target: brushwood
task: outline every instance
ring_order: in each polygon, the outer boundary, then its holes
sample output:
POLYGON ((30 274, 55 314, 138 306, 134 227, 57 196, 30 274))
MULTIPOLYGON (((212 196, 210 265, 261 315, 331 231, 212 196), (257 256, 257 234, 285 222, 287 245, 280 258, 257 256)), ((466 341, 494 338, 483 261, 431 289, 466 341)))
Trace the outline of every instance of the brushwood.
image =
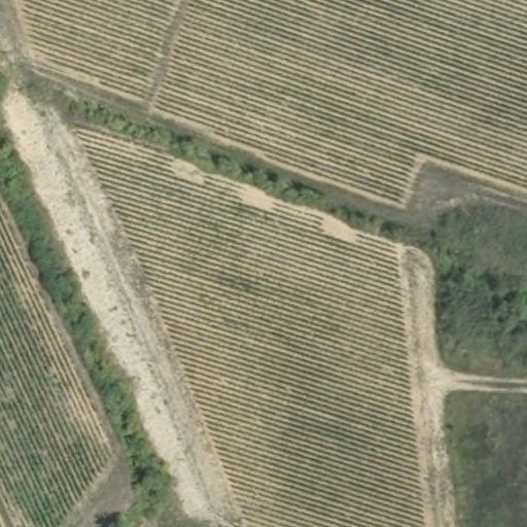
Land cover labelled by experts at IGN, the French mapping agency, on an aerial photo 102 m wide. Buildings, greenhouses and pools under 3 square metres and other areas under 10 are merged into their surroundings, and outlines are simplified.
POLYGON ((89 379, 101 397, 105 414, 103 418, 111 424, 111 438, 115 436, 117 443, 126 445, 124 453, 130 457, 132 463, 132 490, 136 492, 134 504, 119 519, 117 527, 210 527, 208 521, 198 521, 191 517, 183 513, 177 494, 177 480, 169 473, 167 461, 156 455, 144 430, 140 412, 136 408, 136 395, 128 393, 119 385, 119 379, 126 375, 126 368, 117 364, 115 354, 107 350, 103 342, 91 340, 93 333, 99 329, 99 319, 91 311, 80 290, 76 274, 66 257, 64 243, 58 239, 49 212, 41 204, 33 187, 31 171, 16 152, 10 130, 6 130, 0 124, 0 202, 4 206, 10 206, 19 231, 27 243, 29 259, 37 270, 37 280, 51 298, 56 315, 62 317, 66 329, 72 336, 78 360, 89 373, 89 379))
POLYGON ((200 132, 187 130, 171 119, 163 119, 154 113, 148 113, 148 109, 140 103, 99 91, 93 84, 80 82, 76 78, 64 76, 58 84, 47 78, 39 78, 35 76, 33 66, 29 62, 21 62, 19 70, 27 80, 23 95, 29 99, 31 105, 54 105, 68 128, 93 130, 105 136, 121 138, 152 148, 156 152, 175 154, 177 159, 196 165, 204 173, 220 173, 224 177, 249 183, 272 198, 323 210, 344 220, 352 229, 381 235, 383 222, 389 220, 397 210, 393 206, 371 202, 366 198, 360 198, 333 185, 303 179, 290 171, 274 169, 264 161, 251 156, 249 152, 222 146, 200 132))
POLYGON ((515 274, 502 272, 494 276, 492 272, 484 272, 476 286, 471 286, 463 280, 465 268, 459 266, 449 268, 449 272, 434 278, 434 331, 451 333, 455 342, 461 342, 463 338, 490 338, 494 342, 494 338, 500 336, 527 333, 527 282, 521 282, 521 276, 515 274))

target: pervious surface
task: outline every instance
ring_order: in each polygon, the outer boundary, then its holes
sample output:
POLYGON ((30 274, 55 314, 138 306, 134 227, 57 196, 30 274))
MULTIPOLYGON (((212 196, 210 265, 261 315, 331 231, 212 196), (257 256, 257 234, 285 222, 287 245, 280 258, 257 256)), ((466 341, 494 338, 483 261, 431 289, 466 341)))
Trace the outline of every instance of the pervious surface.
POLYGON ((426 251, 422 251, 416 245, 397 243, 395 261, 401 286, 399 301, 406 331, 418 467, 445 469, 449 465, 443 428, 443 399, 449 391, 459 389, 484 393, 527 393, 527 377, 488 377, 449 371, 438 360, 434 331, 434 278, 434 268, 426 251))

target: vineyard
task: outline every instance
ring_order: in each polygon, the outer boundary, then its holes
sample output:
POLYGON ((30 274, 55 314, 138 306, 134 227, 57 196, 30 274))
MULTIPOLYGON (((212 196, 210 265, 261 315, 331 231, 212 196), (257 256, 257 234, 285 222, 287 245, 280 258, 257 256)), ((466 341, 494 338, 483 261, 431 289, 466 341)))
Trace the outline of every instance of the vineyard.
POLYGON ((171 119, 187 130, 200 132, 222 146, 249 152, 251 156, 264 161, 274 169, 290 171, 303 179, 333 185, 360 198, 366 198, 371 202, 393 206, 397 210, 389 220, 430 229, 443 210, 461 204, 484 202, 490 206, 502 206, 506 198, 527 202, 527 0, 12 0, 21 25, 19 41, 29 62, 33 66, 35 76, 39 78, 47 78, 58 84, 64 76, 76 78, 80 82, 93 84, 99 91, 140 103, 148 109, 148 113, 154 113, 163 119, 171 119))
POLYGON ((220 173, 204 173, 196 165, 177 159, 175 154, 156 152, 152 148, 121 138, 105 136, 93 130, 68 128, 54 105, 31 105, 41 119, 45 150, 56 156, 64 173, 68 189, 66 204, 80 208, 80 222, 89 233, 91 245, 99 249, 99 257, 105 264, 107 288, 115 290, 117 301, 124 305, 121 325, 130 329, 128 338, 134 340, 140 348, 144 348, 142 362, 146 362, 146 368, 154 385, 163 389, 163 403, 167 408, 171 426, 187 455, 187 465, 191 476, 196 478, 196 488, 206 500, 206 506, 191 517, 198 521, 208 521, 210 527, 424 527, 418 467, 406 331, 399 301, 401 286, 395 261, 397 243, 381 235, 352 229, 344 220, 323 210, 272 198, 249 183, 224 177, 220 173))
POLYGON ((37 280, 37 270, 29 259, 27 243, 19 231, 10 206, 4 206, 0 202, 0 527, 58 527, 70 513, 72 504, 80 498, 82 490, 95 478, 95 471, 86 459, 84 445, 68 443, 66 426, 70 422, 80 422, 80 432, 91 438, 97 438, 99 445, 109 443, 111 438, 111 424, 103 418, 105 414, 101 397, 89 379, 89 373, 78 360, 72 336, 66 329, 62 317, 56 315, 51 298, 37 280))

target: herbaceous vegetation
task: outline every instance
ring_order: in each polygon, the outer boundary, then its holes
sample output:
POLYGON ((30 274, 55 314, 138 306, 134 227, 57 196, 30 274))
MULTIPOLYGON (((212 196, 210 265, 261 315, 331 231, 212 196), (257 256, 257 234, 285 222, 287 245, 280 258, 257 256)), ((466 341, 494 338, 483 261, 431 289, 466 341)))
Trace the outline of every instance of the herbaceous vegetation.
POLYGON ((426 251, 434 268, 434 278, 449 272, 449 268, 459 266, 465 268, 463 280, 471 286, 476 286, 484 272, 492 272, 494 276, 502 272, 515 274, 521 276, 521 282, 527 282, 527 202, 506 198, 502 206, 490 206, 484 202, 461 204, 443 210, 430 229, 389 220, 383 222, 381 235, 397 243, 416 245, 422 251, 426 251))
POLYGON ((115 436, 111 438, 109 443, 99 445, 97 438, 91 438, 80 432, 80 422, 70 422, 66 426, 68 443, 84 445, 86 459, 95 471, 95 478, 82 490, 80 498, 72 504, 70 513, 58 527, 117 527, 119 519, 134 504, 136 492, 132 490, 132 463, 130 457, 124 453, 126 445, 117 443, 115 436))
POLYGON ((494 338, 494 342, 490 338, 463 338, 461 342, 455 342, 451 333, 434 331, 438 360, 449 371, 488 377, 527 377, 527 333, 500 336, 494 338))
POLYGON ((196 478, 191 476, 187 465, 187 455, 171 426, 167 408, 163 403, 163 389, 154 385, 146 368, 146 362, 142 362, 144 348, 140 348, 134 340, 128 338, 130 329, 121 325, 124 305, 117 301, 115 290, 107 288, 105 264, 99 257, 99 249, 91 245, 89 233, 80 222, 80 208, 66 204, 68 189, 64 173, 56 156, 45 150, 41 119, 31 105, 29 99, 23 95, 27 80, 19 70, 21 62, 29 62, 19 41, 21 25, 12 0, 0 0, 0 124, 6 130, 10 130, 16 152, 31 171, 33 187, 41 204, 49 212, 58 239, 64 243, 66 257, 76 274, 80 290, 91 311, 99 319, 99 329, 93 333, 91 340, 103 342, 107 350, 115 354, 117 364, 126 368, 126 375, 119 379, 119 385, 128 393, 136 395, 136 408, 140 412, 144 430, 156 455, 167 461, 169 473, 177 480, 177 494, 183 513, 191 517, 206 506, 206 500, 196 488, 196 478))
POLYGON ((527 393, 484 393, 459 389, 449 391, 443 399, 443 428, 449 465, 445 469, 418 467, 424 527, 527 527, 527 393))

